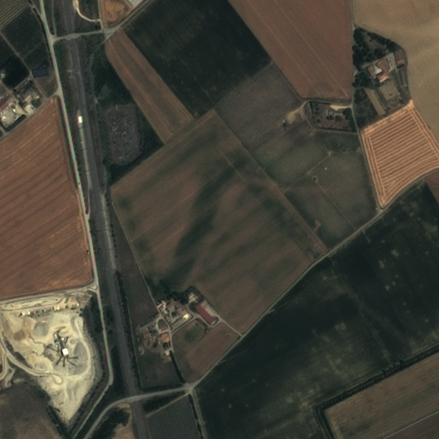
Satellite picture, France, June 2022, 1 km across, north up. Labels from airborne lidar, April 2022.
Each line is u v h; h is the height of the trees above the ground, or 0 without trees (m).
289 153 0
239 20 0
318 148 0
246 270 0
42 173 0
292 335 0
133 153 0
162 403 9
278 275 0
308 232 0
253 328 0
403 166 0
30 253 0
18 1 0
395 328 0
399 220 0
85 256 0
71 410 0
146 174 0
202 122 0
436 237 0
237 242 0
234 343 0
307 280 0
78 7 0
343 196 0
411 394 0
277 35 0
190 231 0
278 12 0
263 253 0
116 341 0
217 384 0
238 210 0
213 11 0
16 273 0
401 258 0
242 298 0
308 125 0
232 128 0
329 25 0
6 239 0
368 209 0
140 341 0
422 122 0
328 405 9
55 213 0
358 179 0
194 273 0
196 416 9
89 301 0
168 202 0
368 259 0
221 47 0
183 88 0
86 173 0
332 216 0
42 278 0
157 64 0
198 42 0
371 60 11
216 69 0
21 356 0
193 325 0
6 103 0
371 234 0
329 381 0
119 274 7
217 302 0
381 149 0
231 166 0
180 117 0
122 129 0
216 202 0
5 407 0
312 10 0
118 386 7
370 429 0
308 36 0
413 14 0
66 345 0
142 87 0
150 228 0
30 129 0
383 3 0
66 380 0
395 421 0
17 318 0
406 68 0
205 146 0
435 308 0
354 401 0
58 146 0
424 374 0
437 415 0
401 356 0
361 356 0
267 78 0
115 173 9
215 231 0
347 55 0
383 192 0
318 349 0
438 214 0
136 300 0
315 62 0
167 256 0
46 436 0
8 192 0
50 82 0
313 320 0
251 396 0
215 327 0
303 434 0
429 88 0
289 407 0
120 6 0
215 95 0
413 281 0
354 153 0
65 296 0
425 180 0
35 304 0
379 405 0
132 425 0
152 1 0
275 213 0
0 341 0
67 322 0
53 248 0
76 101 0
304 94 0
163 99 0
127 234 0
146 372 0
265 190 0
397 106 0
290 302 0
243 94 0
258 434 0
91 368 0
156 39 0
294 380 0
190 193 0
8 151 0
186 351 0
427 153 0
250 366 0
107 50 0
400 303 0
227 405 0
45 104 0
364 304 0
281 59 0
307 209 0
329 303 0
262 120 0
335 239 0
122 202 0
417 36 0
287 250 0
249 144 0
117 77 8
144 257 0
